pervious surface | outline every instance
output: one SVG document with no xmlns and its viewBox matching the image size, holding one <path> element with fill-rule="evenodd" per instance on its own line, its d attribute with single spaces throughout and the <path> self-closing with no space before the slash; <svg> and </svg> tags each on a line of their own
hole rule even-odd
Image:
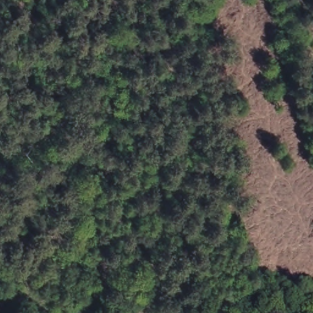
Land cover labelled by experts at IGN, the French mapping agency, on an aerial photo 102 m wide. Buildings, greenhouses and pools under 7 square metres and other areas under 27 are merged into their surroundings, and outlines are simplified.
<svg viewBox="0 0 313 313">
<path fill-rule="evenodd" d="M 263 97 L 262 92 L 265 90 L 264 84 L 268 77 L 265 75 L 269 70 L 270 56 L 267 51 L 259 48 L 264 43 L 269 46 L 271 43 L 278 43 L 275 37 L 279 26 L 275 22 L 269 23 L 270 16 L 265 10 L 263 0 L 226 0 L 225 6 L 216 18 L 225 26 L 224 35 L 231 34 L 232 38 L 240 43 L 237 50 L 241 54 L 241 64 L 235 66 L 234 82 L 237 89 L 245 95 L 249 105 L 247 114 L 238 117 L 234 128 L 243 139 L 247 152 L 241 168 L 242 190 L 247 191 L 248 196 L 254 194 L 260 199 L 260 207 L 253 214 L 252 223 L 246 229 L 248 237 L 258 251 L 259 264 L 268 269 L 278 271 L 295 285 L 300 284 L 300 279 L 306 278 L 307 274 L 313 276 L 313 169 L 309 168 L 307 161 L 298 154 L 295 121 L 290 115 L 289 108 L 285 111 L 275 111 L 270 103 Z M 295 163 L 295 168 L 291 170 L 282 170 L 281 165 L 274 159 L 276 148 L 281 143 L 285 145 L 286 153 Z"/>
</svg>

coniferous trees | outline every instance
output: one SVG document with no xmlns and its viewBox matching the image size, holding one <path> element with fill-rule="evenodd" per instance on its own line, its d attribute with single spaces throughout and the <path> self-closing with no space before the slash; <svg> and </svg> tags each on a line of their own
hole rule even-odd
<svg viewBox="0 0 313 313">
<path fill-rule="evenodd" d="M 101 285 L 103 290 L 92 293 L 90 303 L 81 309 L 82 313 L 108 313 L 109 303 L 114 302 L 117 296 L 127 297 L 128 291 L 136 284 L 137 273 L 144 271 L 145 262 L 150 264 L 155 273 L 155 296 L 141 313 L 204 313 L 209 311 L 210 303 L 202 296 L 202 290 L 210 282 L 210 274 L 215 273 L 215 276 L 219 276 L 226 271 L 236 275 L 243 267 L 248 267 L 257 269 L 260 275 L 263 275 L 268 269 L 259 264 L 258 251 L 248 237 L 246 229 L 240 216 L 232 213 L 234 207 L 240 203 L 242 190 L 241 168 L 247 152 L 243 139 L 234 128 L 238 117 L 247 114 L 249 105 L 245 95 L 237 89 L 234 82 L 235 66 L 241 64 L 241 54 L 237 50 L 240 43 L 232 38 L 231 34 L 224 35 L 225 26 L 216 18 L 209 23 L 192 20 L 194 13 L 212 5 L 214 0 L 0 0 L 0 313 L 50 313 L 54 309 L 54 301 L 46 303 L 43 300 L 46 289 L 56 291 L 60 300 L 65 302 L 66 286 L 76 282 L 79 284 L 84 280 L 92 281 L 94 286 Z M 83 70 L 92 67 L 94 57 L 104 53 L 106 46 L 110 45 L 109 39 L 112 35 L 127 31 L 133 31 L 137 35 L 138 45 L 132 49 L 116 48 L 110 56 L 110 59 L 122 60 L 121 66 L 111 67 L 111 75 L 127 79 L 127 86 L 116 88 L 112 97 L 101 97 L 99 92 L 109 86 L 109 81 L 95 76 L 94 73 L 83 75 Z M 62 119 L 51 126 L 50 133 L 38 142 L 31 142 L 35 128 L 29 127 L 33 117 L 29 116 L 28 112 L 35 112 L 35 109 L 26 99 L 29 89 L 37 95 L 39 101 L 54 99 L 59 106 L 57 110 L 62 114 Z M 57 273 L 60 278 L 59 284 L 53 285 L 48 281 L 37 289 L 32 282 L 38 280 L 48 268 L 48 257 L 54 254 L 55 246 L 60 247 L 62 251 L 70 252 L 71 242 L 79 226 L 92 218 L 95 223 L 95 235 L 88 238 L 86 248 L 90 253 L 100 252 L 101 260 L 97 267 L 72 262 Z"/>
<path fill-rule="evenodd" d="M 281 165 L 282 170 L 291 170 L 295 168 L 295 163 L 286 153 L 285 145 L 281 143 L 276 148 L 274 159 Z"/>
<path fill-rule="evenodd" d="M 273 100 L 270 103 L 275 111 L 285 111 L 289 108 L 290 115 L 295 121 L 298 154 L 307 161 L 309 168 L 313 169 L 313 0 L 300 0 L 298 5 L 303 7 L 300 15 L 279 26 L 275 37 L 278 43 L 271 43 L 269 46 L 264 43 L 259 48 L 267 51 L 270 56 L 269 70 L 265 75 L 268 77 L 264 84 L 265 90 L 284 84 L 284 97 L 280 101 Z"/>
</svg>

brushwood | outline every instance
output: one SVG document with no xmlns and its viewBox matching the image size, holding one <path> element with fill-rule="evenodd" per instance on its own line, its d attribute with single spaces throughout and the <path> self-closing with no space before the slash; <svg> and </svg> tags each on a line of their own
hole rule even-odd
<svg viewBox="0 0 313 313">
<path fill-rule="evenodd" d="M 248 196 L 247 191 L 242 190 L 240 203 L 234 207 L 232 213 L 240 216 L 246 229 L 252 223 L 253 214 L 260 207 L 260 199 L 254 194 Z"/>
</svg>

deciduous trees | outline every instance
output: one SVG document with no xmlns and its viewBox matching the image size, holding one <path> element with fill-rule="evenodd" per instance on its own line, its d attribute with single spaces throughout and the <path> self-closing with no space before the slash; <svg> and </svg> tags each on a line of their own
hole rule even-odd
<svg viewBox="0 0 313 313">
<path fill-rule="evenodd" d="M 109 39 L 110 45 L 106 46 L 104 53 L 94 57 L 92 67 L 83 70 L 83 75 L 94 73 L 95 76 L 109 81 L 109 86 L 99 92 L 101 97 L 112 97 L 116 88 L 127 86 L 127 79 L 111 75 L 111 67 L 121 66 L 122 60 L 110 59 L 110 56 L 116 48 L 132 49 L 138 45 L 137 35 L 133 31 L 127 31 L 112 35 Z"/>
<path fill-rule="evenodd" d="M 144 271 L 137 273 L 136 284 L 128 291 L 127 297 L 117 296 L 114 302 L 109 303 L 108 313 L 141 313 L 155 296 L 155 273 L 150 264 L 145 262 Z"/>
<path fill-rule="evenodd" d="M 37 95 L 29 89 L 26 99 L 35 109 L 35 112 L 28 112 L 29 116 L 33 117 L 29 127 L 35 128 L 31 142 L 38 142 L 50 133 L 51 126 L 62 119 L 62 114 L 57 110 L 59 106 L 54 99 L 39 101 Z"/>
<path fill-rule="evenodd" d="M 300 15 L 303 7 L 298 5 L 300 0 L 263 0 L 265 10 L 270 16 L 269 23 L 275 22 L 279 26 Z"/>
<path fill-rule="evenodd" d="M 194 13 L 192 20 L 209 23 L 216 18 L 225 6 L 226 0 L 214 0 L 212 5 Z"/>
<path fill-rule="evenodd" d="M 284 84 L 265 90 L 262 92 L 263 97 L 270 103 L 273 100 L 280 101 L 284 97 Z"/>
<path fill-rule="evenodd" d="M 79 284 L 76 282 L 66 286 L 65 302 L 60 300 L 56 291 L 46 289 L 43 300 L 46 303 L 54 301 L 54 309 L 50 313 L 82 313 L 81 309 L 90 303 L 92 293 L 103 290 L 101 285 L 94 286 L 92 281 L 84 280 Z"/>
<path fill-rule="evenodd" d="M 32 282 L 37 289 L 48 281 L 53 285 L 59 284 L 60 278 L 57 273 L 72 262 L 97 267 L 101 260 L 100 252 L 90 253 L 86 248 L 88 238 L 95 235 L 95 223 L 92 218 L 79 226 L 71 242 L 70 252 L 62 251 L 60 247 L 55 246 L 54 254 L 48 257 L 48 268 L 38 280 Z"/>
<path fill-rule="evenodd" d="M 202 296 L 210 303 L 209 311 L 204 313 L 313 313 L 313 276 L 307 274 L 306 278 L 300 279 L 300 284 L 295 285 L 278 271 L 268 269 L 263 275 L 260 275 L 257 269 L 248 267 L 243 267 L 236 275 L 226 271 L 219 276 L 215 276 L 215 273 L 210 274 L 210 282 L 202 290 Z"/>
</svg>

